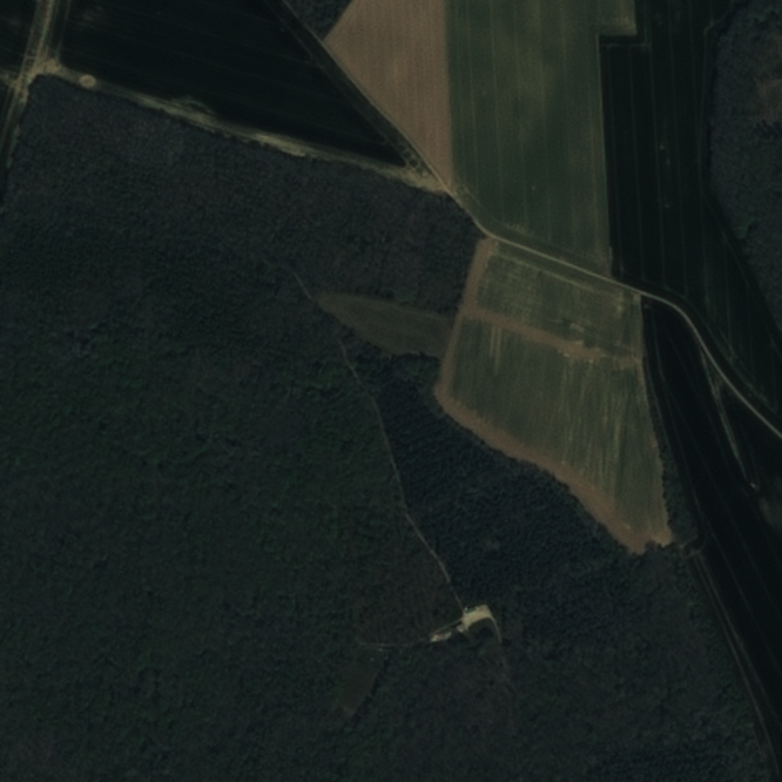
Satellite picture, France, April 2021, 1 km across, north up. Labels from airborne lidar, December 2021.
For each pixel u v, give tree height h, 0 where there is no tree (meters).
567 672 21
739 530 0
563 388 0
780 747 0
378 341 0
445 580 14
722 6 0
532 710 21
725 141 21
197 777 21
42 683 21
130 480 23
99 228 19
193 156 17
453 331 0
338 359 21
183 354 15
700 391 0
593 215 0
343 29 0
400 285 16
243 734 18
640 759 17
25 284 19
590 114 0
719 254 0
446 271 18
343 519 16
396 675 14
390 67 0
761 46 29
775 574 0
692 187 0
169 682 21
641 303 0
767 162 26
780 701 0
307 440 21
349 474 16
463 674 23
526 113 0
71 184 18
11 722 18
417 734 21
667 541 0
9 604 24
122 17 0
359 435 22
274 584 23
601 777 22
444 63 0
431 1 0
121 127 20
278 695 7
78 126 19
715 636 18
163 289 20
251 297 22
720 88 21
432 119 0
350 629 15
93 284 17
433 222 18
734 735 16
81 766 20
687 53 0
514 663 23
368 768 20
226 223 18
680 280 0
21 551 22
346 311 0
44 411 22
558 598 22
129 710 23
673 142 0
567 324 0
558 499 17
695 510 0
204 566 20
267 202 22
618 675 23
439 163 0
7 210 15
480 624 0
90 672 18
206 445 19
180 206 19
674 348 0
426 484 14
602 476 0
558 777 18
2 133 0
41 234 20
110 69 0
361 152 0
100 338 21
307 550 22
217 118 0
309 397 23
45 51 0
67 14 0
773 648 0
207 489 21
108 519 23
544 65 0
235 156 19
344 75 0
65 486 25
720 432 0
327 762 21
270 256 21
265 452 20
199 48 0
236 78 0
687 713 21
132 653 23
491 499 19
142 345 25
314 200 17
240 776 14
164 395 22
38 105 16
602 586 21
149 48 0
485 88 0
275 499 22
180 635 21
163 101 0
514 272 0
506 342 0
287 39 0
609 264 0
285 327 20
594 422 0
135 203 20
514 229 0
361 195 17
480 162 0
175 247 19
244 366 22
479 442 11
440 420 9
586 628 21
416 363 17
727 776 19
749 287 0
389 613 16
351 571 14
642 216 0
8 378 22
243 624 25
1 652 20
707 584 0
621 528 0
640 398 0
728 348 0
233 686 20
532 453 0
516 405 0
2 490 24
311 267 19
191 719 19
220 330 22
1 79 0
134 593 20
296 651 15
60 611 24
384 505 17
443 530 17
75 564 21
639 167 0
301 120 0
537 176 0
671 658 21
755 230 20
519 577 20
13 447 19
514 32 0
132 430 22
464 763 22
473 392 0
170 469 20
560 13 0
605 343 0
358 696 0
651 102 0
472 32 0
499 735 22
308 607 18
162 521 23
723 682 21
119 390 23
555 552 20
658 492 0
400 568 14
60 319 21
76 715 18
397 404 14
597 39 0
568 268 0
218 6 0
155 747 19
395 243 19
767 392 0
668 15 0
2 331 23
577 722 21
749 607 0
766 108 0
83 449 22
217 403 23
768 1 22
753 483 0
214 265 22
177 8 0
